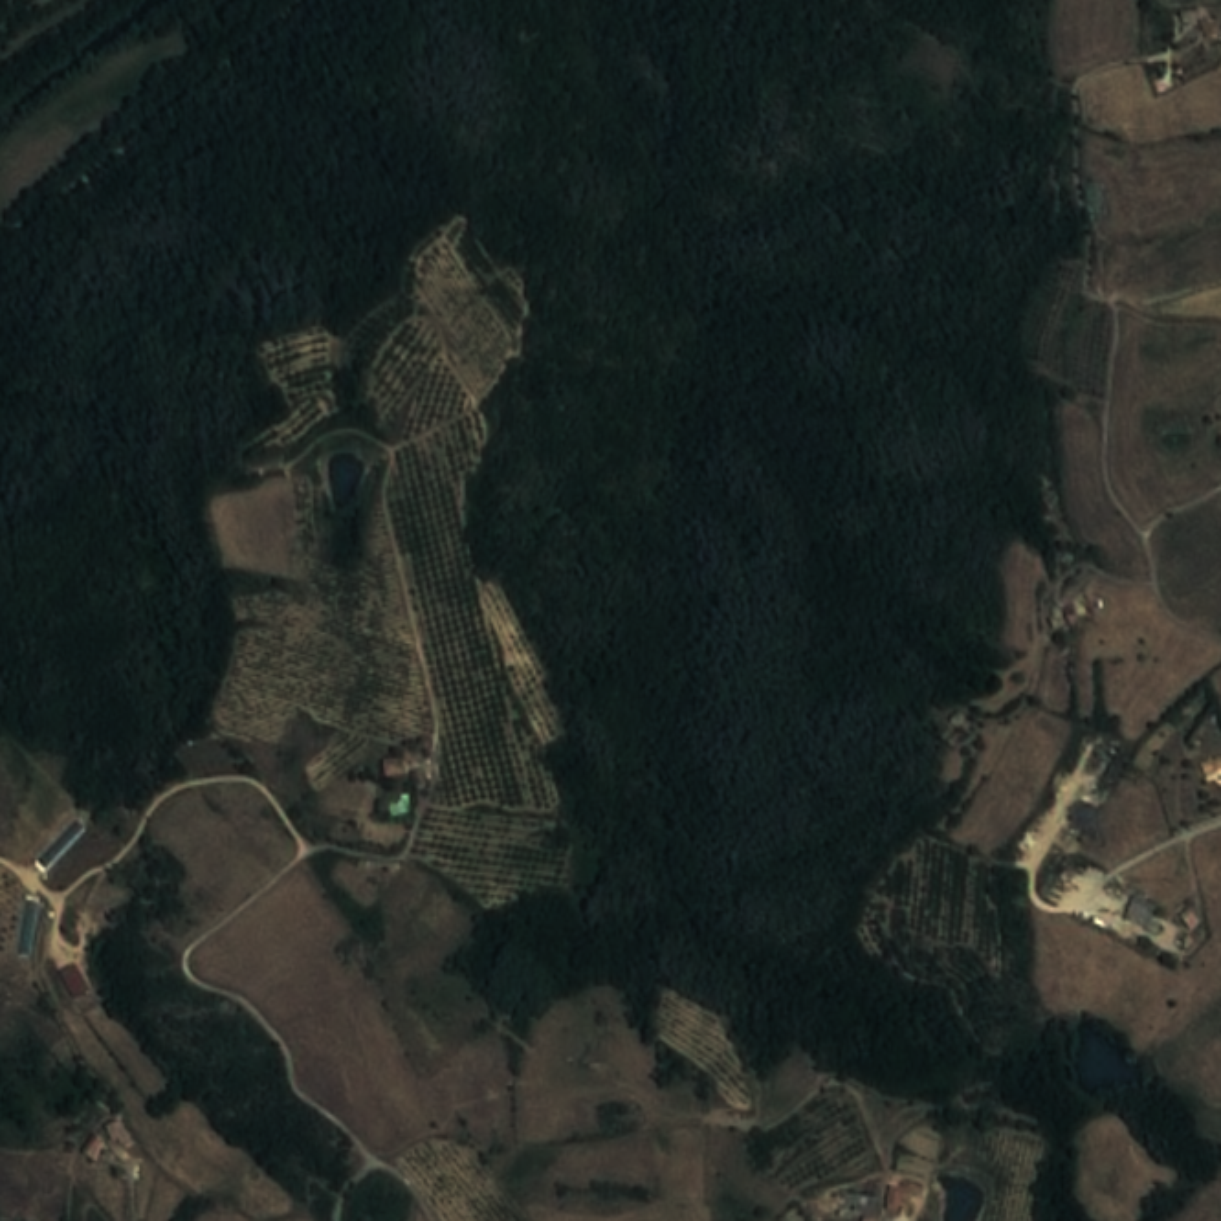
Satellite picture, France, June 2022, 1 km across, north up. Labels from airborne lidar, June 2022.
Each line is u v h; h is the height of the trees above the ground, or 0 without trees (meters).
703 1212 0
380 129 16
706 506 12
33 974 0
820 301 17
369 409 8
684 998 7
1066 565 6
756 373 9
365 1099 0
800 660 15
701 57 13
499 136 15
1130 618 0
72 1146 6
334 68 18
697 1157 0
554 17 8
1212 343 0
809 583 16
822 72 11
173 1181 0
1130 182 0
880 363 8
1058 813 0
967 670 17
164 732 11
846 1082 6
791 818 20
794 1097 0
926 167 9
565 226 10
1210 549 0
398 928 0
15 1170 0
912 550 10
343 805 0
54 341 16
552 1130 0
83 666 8
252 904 0
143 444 17
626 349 10
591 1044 0
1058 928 0
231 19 22
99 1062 0
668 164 7
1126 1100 12
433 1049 0
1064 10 0
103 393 10
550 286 12
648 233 10
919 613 11
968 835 0
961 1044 23
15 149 0
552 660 8
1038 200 12
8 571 12
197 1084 14
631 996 9
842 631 9
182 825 0
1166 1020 0
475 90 8
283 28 13
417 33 11
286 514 0
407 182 14
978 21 6
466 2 8
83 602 10
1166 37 5
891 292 12
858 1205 0
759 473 15
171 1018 6
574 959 12
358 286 12
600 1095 0
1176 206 0
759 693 12
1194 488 0
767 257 12
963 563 8
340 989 0
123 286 8
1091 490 0
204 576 13
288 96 7
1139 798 0
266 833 0
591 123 10
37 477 17
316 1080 0
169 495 15
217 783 0
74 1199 0
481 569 10
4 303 19
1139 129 0
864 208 16
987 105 7
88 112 0
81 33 16
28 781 0
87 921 0
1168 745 0
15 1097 6
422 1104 0
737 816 11
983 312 9
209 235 6
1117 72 0
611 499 10
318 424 6
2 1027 0
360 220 6
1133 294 0
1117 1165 0
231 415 15
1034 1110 13
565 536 16
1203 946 0
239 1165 0
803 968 15
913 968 8
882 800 13
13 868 0
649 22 9
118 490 11
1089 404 0
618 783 10
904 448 9
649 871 18
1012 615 0
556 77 18
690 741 12
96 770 9
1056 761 0
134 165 11
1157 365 0
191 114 14
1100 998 0
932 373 7
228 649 11
